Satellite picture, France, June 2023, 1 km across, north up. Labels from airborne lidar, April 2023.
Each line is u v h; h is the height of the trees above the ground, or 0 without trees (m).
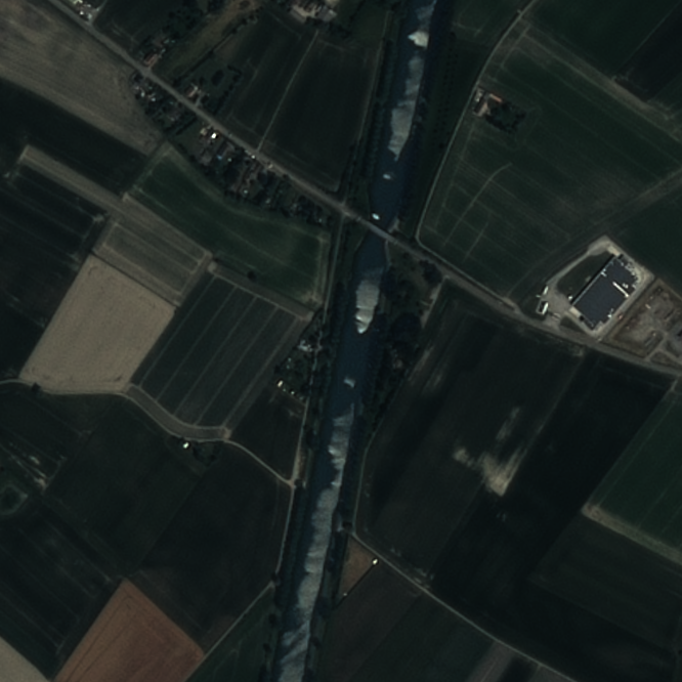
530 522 0
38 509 0
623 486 0
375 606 0
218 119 0
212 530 0
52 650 0
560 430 0
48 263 0
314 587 0
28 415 0
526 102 0
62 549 0
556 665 0
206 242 0
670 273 0
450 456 0
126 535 0
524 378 0
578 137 0
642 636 0
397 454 0
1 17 0
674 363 0
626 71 0
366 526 0
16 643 0
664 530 0
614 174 0
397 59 0
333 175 0
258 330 0
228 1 0
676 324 0
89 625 0
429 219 0
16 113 0
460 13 0
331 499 0
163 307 0
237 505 0
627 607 0
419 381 0
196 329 0
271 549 0
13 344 0
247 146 0
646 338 0
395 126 0
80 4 0
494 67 0
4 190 0
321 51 0
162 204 0
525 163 0
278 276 0
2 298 0
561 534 0
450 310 0
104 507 0
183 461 0
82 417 0
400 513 0
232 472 0
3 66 0
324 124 0
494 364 0
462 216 0
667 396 0
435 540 0
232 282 0
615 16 0
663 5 0
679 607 0
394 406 0
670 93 0
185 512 0
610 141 0
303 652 0
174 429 0
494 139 0
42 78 0
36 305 0
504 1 0
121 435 0
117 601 0
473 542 0
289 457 0
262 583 0
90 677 0
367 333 0
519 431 0
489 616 0
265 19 0
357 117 0
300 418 0
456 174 0
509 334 0
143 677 0
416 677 0
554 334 0
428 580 0
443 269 0
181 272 0
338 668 0
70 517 0
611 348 0
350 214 0
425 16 0
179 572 0
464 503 0
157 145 0
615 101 0
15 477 0
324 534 0
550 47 0
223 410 0
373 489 0
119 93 0
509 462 0
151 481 0
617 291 0
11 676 0
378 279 0
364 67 0
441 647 0
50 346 0
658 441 0
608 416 0
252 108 0
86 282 0
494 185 0
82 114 0
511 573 0
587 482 0
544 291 0
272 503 0
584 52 0
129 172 0
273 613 0
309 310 0
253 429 0
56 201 0
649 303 0
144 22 0
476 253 0
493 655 0
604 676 0
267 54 0
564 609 0
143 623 0
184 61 0
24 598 0
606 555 0
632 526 0
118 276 0
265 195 14
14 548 0
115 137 0
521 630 0
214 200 0
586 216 0
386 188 0
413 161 19
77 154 0
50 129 0
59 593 0
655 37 0
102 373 0
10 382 0
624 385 0
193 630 0
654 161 0
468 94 0
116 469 0
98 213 0
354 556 0
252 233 0
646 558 0
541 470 0
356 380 0
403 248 0
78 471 0
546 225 0
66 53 0
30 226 0
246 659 0
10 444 0
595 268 0
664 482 0
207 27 0
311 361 6
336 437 0
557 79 0
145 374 0
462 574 0
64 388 0
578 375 0
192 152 0
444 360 0
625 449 0
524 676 0
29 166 0
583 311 0
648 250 0
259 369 0
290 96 0
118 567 0
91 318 0
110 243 0
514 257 0
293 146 0
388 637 0
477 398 0
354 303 0
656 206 0
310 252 0
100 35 0
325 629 0
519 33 0
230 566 0
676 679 0
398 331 22
